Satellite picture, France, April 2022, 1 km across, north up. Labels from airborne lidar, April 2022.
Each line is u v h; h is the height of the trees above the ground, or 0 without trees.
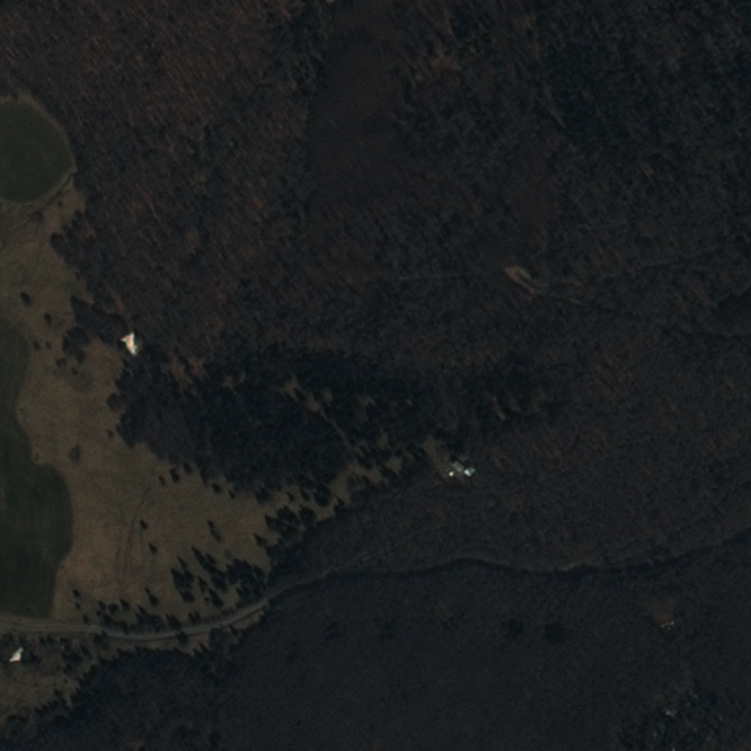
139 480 0
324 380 19
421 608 23
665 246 31
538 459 26
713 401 27
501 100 11
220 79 36
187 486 0
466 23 31
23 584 0
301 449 20
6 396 0
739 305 10
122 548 0
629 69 19
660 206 31
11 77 22
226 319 27
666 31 26
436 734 16
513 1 9
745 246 31
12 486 0
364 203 11
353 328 30
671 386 27
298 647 17
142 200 28
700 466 24
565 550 25
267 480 13
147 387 19
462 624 20
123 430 11
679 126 26
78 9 29
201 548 0
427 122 25
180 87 30
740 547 16
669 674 21
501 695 16
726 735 9
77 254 21
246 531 0
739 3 33
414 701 15
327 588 15
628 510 22
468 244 12
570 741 14
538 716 17
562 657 19
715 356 32
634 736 11
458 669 16
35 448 0
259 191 29
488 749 15
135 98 31
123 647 0
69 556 0
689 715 9
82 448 0
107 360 0
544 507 25
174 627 17
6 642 8
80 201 0
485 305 10
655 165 17
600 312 25
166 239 30
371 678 17
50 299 0
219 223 28
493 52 28
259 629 9
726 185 29
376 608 20
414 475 14
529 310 27
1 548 0
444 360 21
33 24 28
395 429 17
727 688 15
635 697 15
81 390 0
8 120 0
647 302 26
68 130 16
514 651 19
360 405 12
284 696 19
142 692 12
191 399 12
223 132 28
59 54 29
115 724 13
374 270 11
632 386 28
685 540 21
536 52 9
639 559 18
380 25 13
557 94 27
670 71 17
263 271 11
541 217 12
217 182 28
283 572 11
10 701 0
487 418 23
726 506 21
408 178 10
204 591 10
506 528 25
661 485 24
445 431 9
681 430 27
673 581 11
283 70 32
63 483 0
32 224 0
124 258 27
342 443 8
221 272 26
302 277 8
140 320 21
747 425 24
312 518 17
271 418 23
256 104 27
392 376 17
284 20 30
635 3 29
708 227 27
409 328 23
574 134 25
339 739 15
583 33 24
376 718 18
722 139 29
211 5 31
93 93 27
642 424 23
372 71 12
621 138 26
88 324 15
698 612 23
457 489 24
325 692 16
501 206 8
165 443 15
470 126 32
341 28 15
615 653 21
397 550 22
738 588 18
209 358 24
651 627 19
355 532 23
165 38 30
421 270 27
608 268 29
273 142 31
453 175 9
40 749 11
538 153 14
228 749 10
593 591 21
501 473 26
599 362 27
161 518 0
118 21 31
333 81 14
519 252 9
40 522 0
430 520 22
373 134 12
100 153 29
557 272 27
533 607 20
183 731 10
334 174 10
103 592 0
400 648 19
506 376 23
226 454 18
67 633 0
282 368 21
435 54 33
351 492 8
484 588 20
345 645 17
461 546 21
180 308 25
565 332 6
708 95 29
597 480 24
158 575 0
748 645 16
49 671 0
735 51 30
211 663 10
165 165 30
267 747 18
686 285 28
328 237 9
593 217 30
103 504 0
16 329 0
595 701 16
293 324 24
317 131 13
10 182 0
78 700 8
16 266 0
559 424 20
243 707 18
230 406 21
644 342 27
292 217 25
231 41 33
